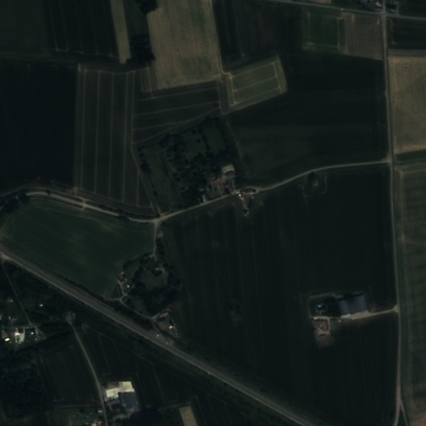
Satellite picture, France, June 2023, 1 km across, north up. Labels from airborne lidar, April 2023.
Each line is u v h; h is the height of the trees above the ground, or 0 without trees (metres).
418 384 0
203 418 0
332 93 0
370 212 0
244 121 0
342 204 0
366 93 0
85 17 0
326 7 0
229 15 0
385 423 0
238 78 0
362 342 0
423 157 0
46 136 0
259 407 0
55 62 0
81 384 0
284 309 0
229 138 0
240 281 0
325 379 0
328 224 0
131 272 0
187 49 0
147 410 0
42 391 15
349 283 0
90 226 0
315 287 0
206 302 0
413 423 0
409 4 0
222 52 0
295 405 0
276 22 0
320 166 0
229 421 0
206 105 0
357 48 0
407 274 0
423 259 0
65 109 0
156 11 0
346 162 0
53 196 0
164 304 9
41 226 0
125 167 0
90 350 0
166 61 0
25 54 0
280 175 0
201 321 0
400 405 0
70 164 0
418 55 0
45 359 0
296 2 0
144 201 0
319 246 0
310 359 0
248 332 0
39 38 0
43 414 0
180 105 0
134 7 0
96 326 0
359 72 0
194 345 0
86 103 0
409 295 0
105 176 0
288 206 0
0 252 0
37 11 0
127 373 0
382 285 0
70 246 0
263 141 0
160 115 0
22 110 0
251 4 0
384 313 0
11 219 0
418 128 0
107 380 0
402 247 0
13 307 0
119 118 0
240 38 0
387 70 0
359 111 0
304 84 0
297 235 0
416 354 0
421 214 0
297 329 0
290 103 0
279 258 0
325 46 0
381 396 0
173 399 0
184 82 0
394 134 0
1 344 8
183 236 0
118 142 0
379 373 0
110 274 0
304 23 0
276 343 0
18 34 0
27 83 0
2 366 16
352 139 0
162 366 0
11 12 0
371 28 0
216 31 0
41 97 0
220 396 0
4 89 0
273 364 0
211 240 0
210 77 0
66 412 0
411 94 0
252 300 0
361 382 0
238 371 0
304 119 0
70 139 0
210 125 18
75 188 0
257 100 0
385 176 0
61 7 0
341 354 0
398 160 0
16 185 0
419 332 0
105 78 0
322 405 0
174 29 0
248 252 0
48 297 12
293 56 0
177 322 0
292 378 0
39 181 0
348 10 0
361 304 0
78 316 9
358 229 0
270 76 0
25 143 0
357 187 0
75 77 0
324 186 0
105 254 0
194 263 0
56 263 0
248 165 0
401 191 0
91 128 0
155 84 0
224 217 0
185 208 5
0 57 0
